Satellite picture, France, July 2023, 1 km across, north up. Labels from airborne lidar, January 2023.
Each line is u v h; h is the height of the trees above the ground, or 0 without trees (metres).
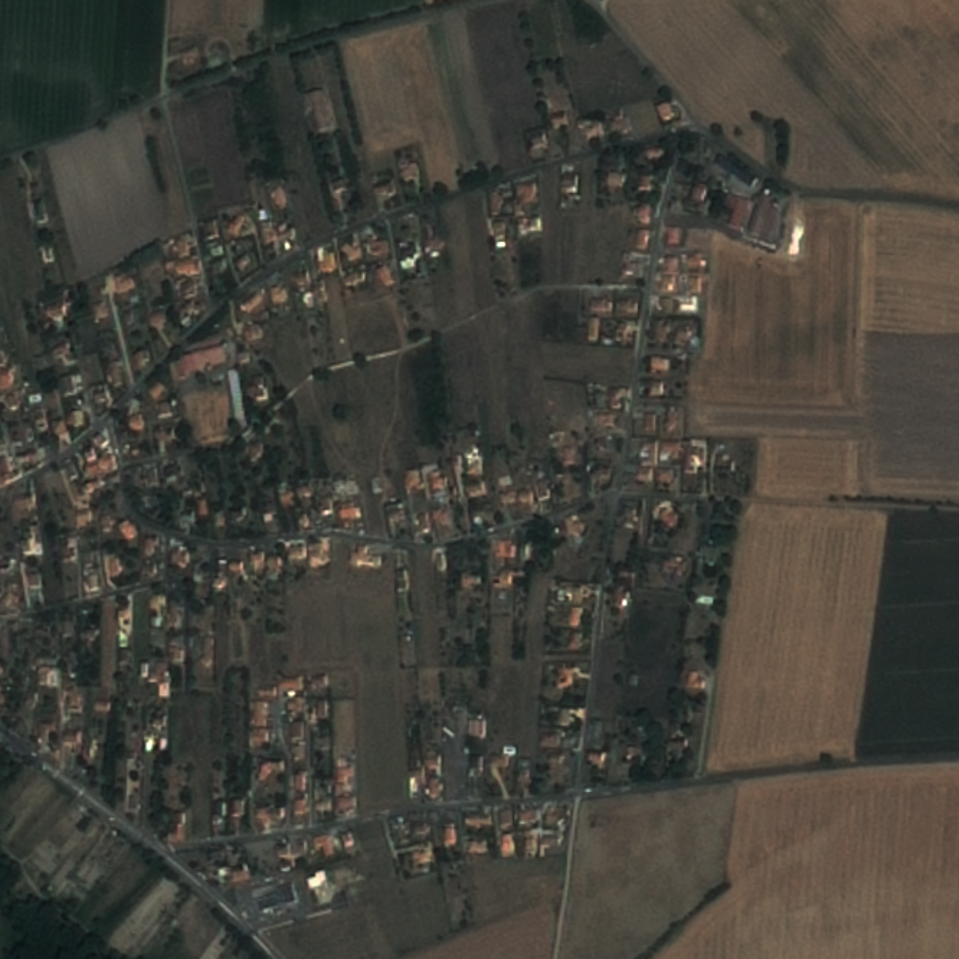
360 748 0
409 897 0
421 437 6
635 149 10
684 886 0
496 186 0
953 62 0
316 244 0
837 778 0
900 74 0
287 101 0
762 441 0
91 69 0
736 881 0
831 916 0
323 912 0
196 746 0
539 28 0
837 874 0
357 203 7
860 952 0
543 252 0
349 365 0
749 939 0
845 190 0
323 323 0
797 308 0
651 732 16
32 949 20
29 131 0
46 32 0
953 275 0
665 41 0
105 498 7
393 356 0
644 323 0
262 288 0
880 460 0
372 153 0
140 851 9
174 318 12
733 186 0
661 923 0
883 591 0
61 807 0
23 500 0
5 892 17
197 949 0
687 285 0
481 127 0
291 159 0
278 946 0
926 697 0
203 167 0
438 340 9
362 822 0
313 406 0
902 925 0
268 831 0
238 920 0
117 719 7
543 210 0
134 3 0
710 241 0
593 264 0
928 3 0
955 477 0
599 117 8
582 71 0
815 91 0
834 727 0
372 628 0
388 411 0
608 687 0
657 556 0
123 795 12
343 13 0
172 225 0
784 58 0
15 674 6
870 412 0
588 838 0
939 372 0
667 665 0
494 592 0
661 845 0
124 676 10
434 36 0
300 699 0
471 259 0
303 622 0
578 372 0
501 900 0
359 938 0
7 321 0
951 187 0
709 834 0
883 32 0
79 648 6
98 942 16
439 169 0
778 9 0
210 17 0
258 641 0
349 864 0
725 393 0
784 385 0
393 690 0
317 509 6
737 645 0
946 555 0
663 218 0
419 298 0
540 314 0
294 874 0
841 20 0
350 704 0
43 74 0
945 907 0
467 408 0
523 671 0
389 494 0
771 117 0
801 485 0
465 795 0
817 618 0
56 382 12
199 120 0
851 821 0
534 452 0
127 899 0
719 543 13
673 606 0
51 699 7
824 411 0
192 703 0
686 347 0
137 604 0
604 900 0
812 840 0
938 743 0
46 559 0
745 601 0
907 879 0
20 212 0
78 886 0
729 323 0
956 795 0
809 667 0
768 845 0
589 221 0
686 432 0
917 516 0
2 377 0
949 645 0
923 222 0
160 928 0
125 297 0
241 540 6
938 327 0
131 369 0
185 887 8
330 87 0
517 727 0
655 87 0
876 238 0
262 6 0
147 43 0
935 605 0
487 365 0
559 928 0
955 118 0
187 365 0
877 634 0
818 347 0
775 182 8
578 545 0
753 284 0
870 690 0
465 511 7
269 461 9
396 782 0
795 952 0
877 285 0
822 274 0
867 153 0
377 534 0
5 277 0
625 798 0
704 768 0
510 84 0
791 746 0
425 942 0
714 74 0
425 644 0
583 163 0
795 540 0
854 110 0
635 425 0
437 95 0
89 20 0
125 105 8
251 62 9
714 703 0
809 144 0
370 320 0
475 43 0
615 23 0
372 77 0
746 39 0
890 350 0
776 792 0
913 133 0
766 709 0
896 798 0
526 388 0
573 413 0
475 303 0
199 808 0
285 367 0
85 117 0
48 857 0
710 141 0
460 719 0
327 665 0
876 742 0
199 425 0
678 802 0
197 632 8
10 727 8
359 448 0
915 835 0
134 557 7
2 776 8
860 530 0
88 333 0
